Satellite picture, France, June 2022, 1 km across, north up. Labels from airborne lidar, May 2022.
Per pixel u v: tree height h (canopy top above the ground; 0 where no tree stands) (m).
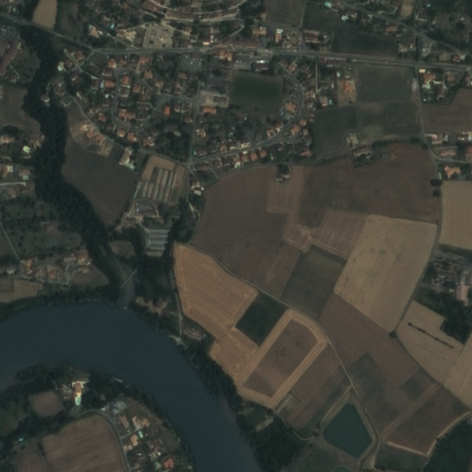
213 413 0
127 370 0
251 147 0
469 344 0
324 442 0
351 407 0
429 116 0
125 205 9
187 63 0
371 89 0
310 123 6
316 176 0
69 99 8
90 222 21
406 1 0
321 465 0
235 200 0
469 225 0
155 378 0
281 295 0
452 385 0
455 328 7
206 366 18
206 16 0
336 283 0
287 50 0
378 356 0
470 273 0
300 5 0
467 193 0
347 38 0
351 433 0
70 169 0
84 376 0
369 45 0
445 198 0
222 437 0
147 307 11
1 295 0
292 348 0
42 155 26
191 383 0
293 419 0
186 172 0
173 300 7
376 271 0
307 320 0
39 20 0
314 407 0
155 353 0
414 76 7
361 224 0
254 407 11
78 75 7
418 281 0
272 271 0
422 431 0
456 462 7
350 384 0
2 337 0
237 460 0
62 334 0
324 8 5
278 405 0
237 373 0
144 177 0
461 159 0
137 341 0
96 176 0
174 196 0
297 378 0
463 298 0
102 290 14
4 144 7
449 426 0
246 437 6
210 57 12
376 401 0
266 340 0
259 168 0
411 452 0
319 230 0
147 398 28
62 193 23
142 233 0
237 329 0
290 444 5
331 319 0
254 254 0
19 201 15
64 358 0
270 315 0
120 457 0
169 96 0
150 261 12
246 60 0
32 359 0
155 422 0
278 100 0
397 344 0
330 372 0
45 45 19
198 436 0
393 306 0
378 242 0
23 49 8
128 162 0
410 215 0
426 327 0
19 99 0
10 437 7
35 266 0
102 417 0
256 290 0
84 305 0
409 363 0
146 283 0
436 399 0
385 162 0
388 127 0
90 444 0
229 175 0
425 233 0
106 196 0
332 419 0
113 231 9
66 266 0
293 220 0
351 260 0
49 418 12
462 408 0
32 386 18
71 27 0
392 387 0
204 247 0
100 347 0
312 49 8
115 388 14
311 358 0
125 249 0
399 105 0
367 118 0
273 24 0
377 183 0
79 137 0
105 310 0
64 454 0
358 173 0
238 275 0
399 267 0
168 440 0
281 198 0
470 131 0
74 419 9
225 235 0
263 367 0
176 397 0
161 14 9
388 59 0
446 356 0
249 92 0
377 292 0
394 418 0
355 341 0
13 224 16
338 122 0
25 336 0
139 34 12
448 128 0
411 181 0
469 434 7
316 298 0
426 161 0
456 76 7
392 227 0
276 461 10
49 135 25
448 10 6
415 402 0
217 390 27
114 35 15
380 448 0
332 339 0
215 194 0
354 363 0
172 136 11
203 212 0
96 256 20
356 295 0
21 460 0
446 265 8
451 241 0
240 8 12
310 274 0
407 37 0
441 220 0
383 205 0
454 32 6
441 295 8
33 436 25
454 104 0
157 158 0
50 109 24
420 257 0
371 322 0
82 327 0
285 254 0
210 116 14
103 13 6
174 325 0
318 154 0
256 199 0
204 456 0
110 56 6
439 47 6
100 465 0
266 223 0
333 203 0
